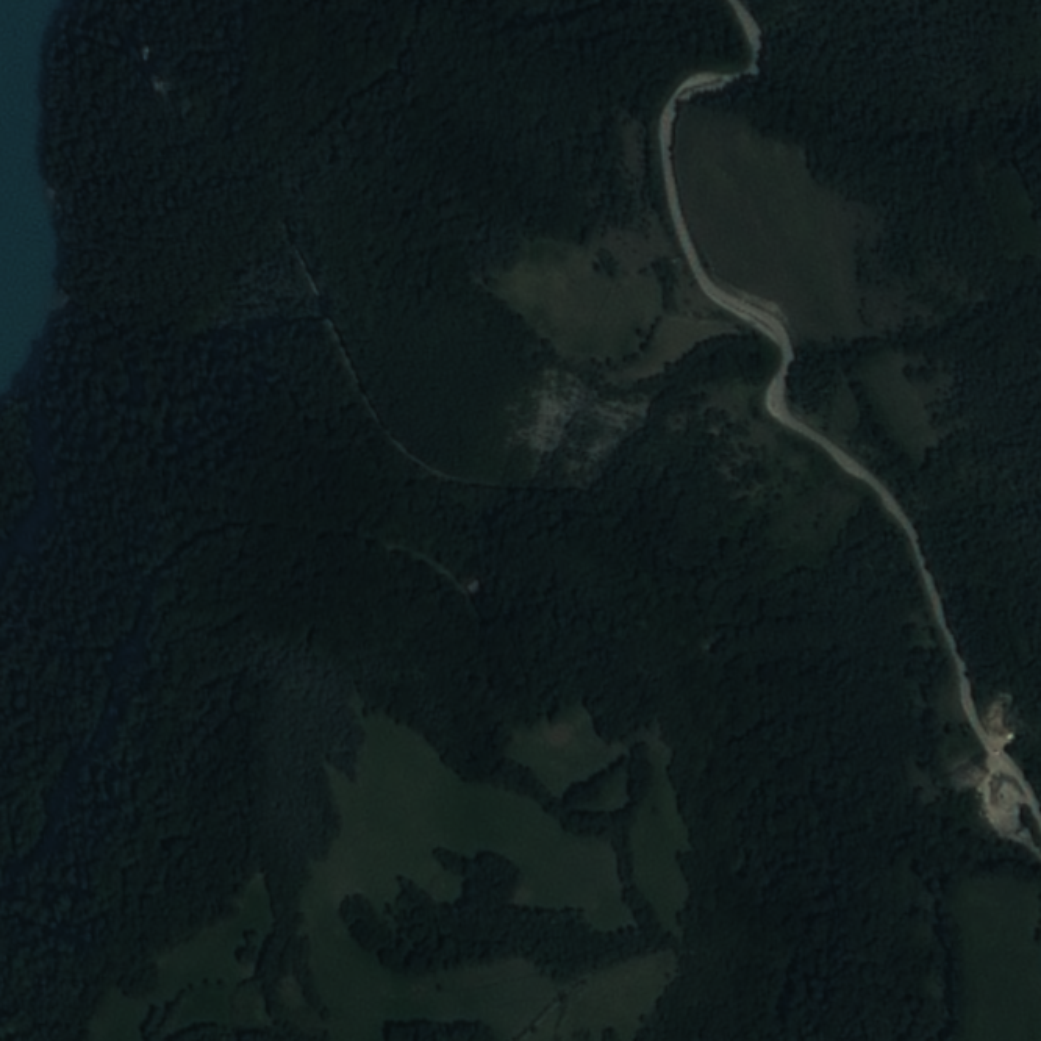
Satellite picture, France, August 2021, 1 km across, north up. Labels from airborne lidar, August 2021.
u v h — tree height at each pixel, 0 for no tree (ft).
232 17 48
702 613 77
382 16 68
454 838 0
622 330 0
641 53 80
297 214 52
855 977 76
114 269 54
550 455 28
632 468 32
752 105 60
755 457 19
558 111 45
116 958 56
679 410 19
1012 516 19
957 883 47
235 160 53
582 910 24
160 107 50
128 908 79
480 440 38
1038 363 38
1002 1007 0
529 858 0
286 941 24
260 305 24
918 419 0
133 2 61
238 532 77
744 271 0
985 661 56
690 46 78
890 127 45
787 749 58
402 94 65
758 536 41
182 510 77
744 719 66
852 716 57
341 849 0
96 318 80
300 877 27
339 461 104
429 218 56
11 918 70
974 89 27
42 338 0
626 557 84
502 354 38
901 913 55
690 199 0
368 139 54
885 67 42
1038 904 0
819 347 30
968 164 74
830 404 24
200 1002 0
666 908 0
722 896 73
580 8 90
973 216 44
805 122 69
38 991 33
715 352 51
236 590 89
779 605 53
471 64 59
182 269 58
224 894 55
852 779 58
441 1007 0
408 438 46
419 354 42
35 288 0
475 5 95
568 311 0
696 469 45
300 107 64
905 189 33
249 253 38
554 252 0
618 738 30
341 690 34
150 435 101
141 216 58
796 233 0
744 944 55
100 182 66
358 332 44
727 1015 51
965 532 24
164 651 34
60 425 73
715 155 0
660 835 0
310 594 58
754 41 0
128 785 63
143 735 45
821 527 32
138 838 99
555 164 39
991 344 42
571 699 41
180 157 52
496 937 27
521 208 58
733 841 69
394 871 0
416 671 61
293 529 55
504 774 63
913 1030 50
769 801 82
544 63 62
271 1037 46
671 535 68
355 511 87
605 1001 0
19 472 45
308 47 67
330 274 28
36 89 0
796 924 86
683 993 40
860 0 28
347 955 0
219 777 84
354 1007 0
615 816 35
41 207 0
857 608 29
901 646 41
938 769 42
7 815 77
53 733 50
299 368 62
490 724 66
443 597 55
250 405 76
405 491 73
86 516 80
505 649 78
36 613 81
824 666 47
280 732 34
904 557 27
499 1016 0
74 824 83
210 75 81
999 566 23
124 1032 0
